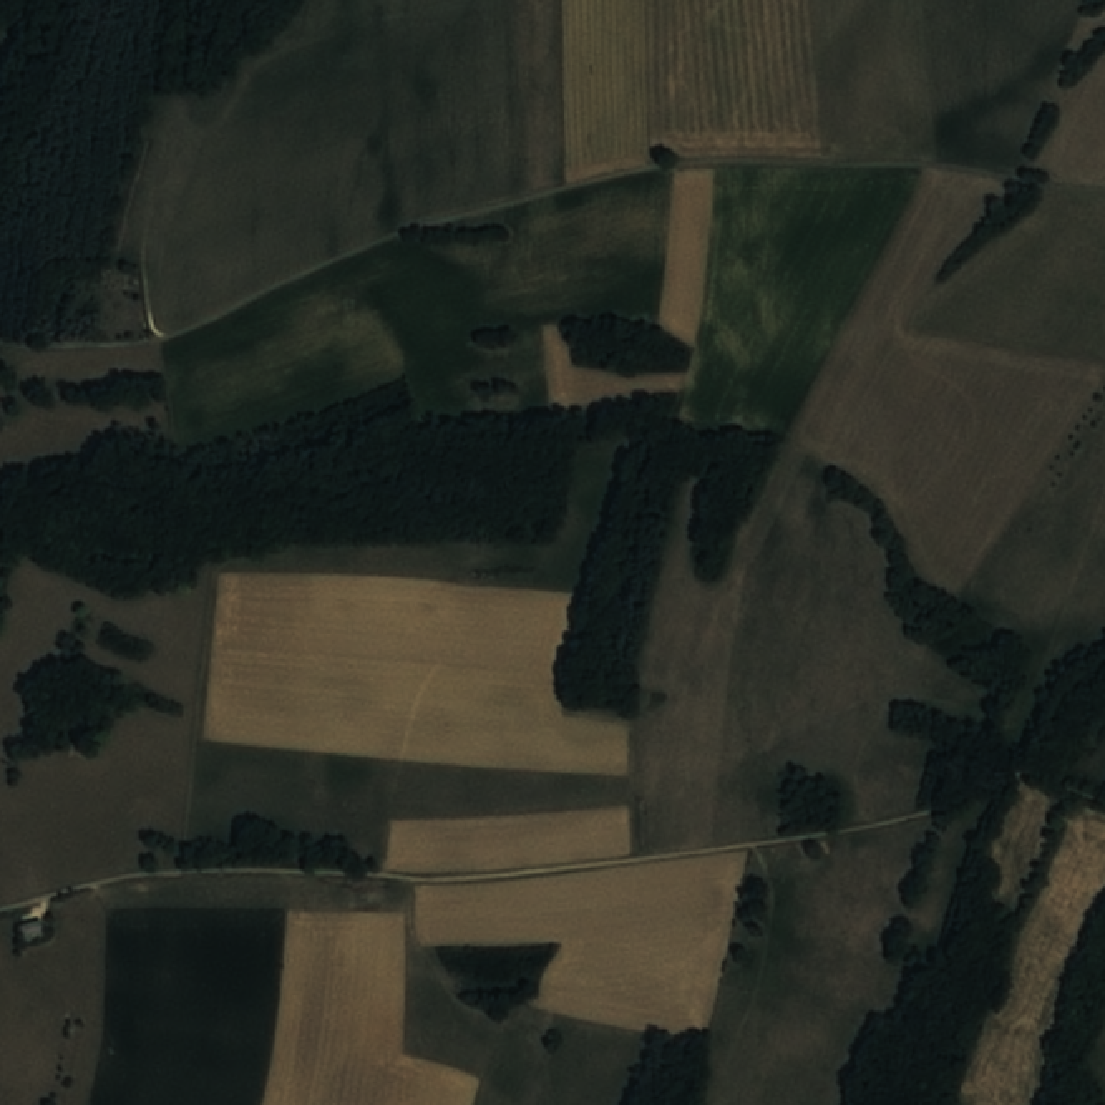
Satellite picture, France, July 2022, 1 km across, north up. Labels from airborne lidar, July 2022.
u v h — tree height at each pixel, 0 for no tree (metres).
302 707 0
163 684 0
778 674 0
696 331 0
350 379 0
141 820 0
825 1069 0
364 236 0
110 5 19
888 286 0
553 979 0
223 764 0
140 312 0
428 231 12
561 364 0
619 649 23
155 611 0
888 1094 19
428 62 0
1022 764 18
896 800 0
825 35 0
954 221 0
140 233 0
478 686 0
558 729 0
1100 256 0
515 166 0
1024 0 0
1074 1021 24
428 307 0
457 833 0
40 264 15
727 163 0
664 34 0
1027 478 0
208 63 17
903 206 0
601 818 0
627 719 10
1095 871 0
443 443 21
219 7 20
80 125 19
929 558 0
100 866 0
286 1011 0
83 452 0
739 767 0
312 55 0
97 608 0
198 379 0
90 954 0
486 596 0
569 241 0
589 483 0
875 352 0
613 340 17
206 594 0
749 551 0
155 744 0
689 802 0
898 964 11
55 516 24
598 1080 0
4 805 0
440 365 0
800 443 0
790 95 0
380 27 0
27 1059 0
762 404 0
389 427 24
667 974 0
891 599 8
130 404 22
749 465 22
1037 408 0
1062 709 17
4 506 23
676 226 0
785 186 0
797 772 19
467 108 0
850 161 0
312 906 0
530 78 0
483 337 15
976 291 0
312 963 0
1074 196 0
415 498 26
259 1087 0
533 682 0
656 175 0
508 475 25
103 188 17
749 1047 0
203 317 0
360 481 20
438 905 0
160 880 0
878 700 0
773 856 0
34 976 0
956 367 0
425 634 0
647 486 22
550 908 0
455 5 0
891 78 0
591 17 0
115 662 0
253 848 20
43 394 23
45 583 0
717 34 0
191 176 0
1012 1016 0
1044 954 0
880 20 0
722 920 0
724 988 0
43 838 0
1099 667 12
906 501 0
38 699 21
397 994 0
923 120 0
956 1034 19
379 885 0
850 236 0
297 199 0
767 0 0
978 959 21
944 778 18
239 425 0
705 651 0
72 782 0
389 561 0
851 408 0
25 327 16
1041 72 0
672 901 0
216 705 0
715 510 20
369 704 0
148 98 17
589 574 19
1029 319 0
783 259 0
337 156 0
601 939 0
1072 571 0
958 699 0
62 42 21
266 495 23
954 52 0
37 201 16
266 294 0
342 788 0
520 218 0
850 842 0
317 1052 0
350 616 0
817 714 0
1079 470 0
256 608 0
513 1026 0
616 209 0
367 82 0
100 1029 0
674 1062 23
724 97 0
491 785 0
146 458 22
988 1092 0
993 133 0
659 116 0
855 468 0
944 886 0
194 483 24
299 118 0
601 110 0
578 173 0
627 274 0
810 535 0
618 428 22
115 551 20
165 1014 0
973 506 0
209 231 0
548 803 0
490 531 25
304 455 14
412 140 0
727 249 0
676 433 19
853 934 0
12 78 25
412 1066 0
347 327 0
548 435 26
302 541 18
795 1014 0
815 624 0
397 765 0
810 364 0
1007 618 0
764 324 0
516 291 0
